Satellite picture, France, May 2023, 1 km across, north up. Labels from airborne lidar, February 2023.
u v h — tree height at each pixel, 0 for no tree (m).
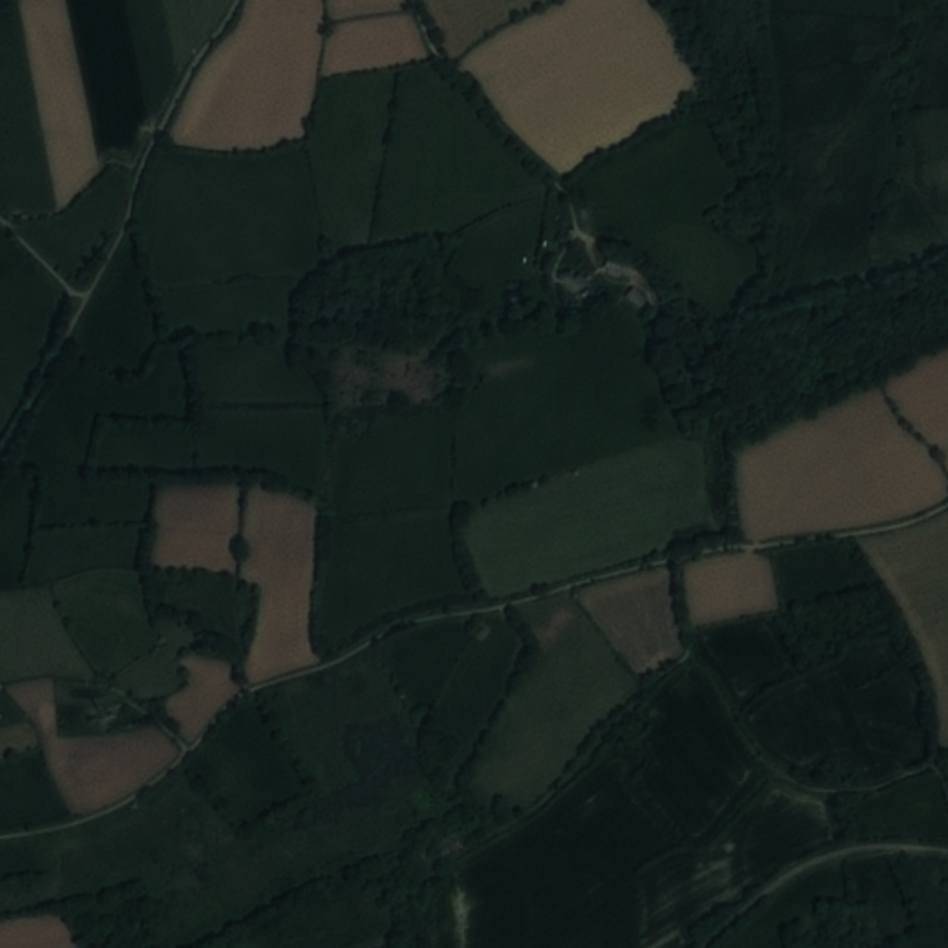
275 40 0
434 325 18
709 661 0
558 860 0
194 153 6
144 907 13
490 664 0
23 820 0
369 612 0
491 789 0
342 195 0
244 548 15
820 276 0
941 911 11
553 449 0
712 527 0
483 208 0
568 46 0
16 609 0
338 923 0
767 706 0
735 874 0
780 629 8
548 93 0
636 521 0
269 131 0
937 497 0
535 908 0
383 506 0
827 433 0
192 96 0
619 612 0
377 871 10
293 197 0
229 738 0
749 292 17
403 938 19
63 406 0
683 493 0
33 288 0
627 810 0
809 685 0
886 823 0
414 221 0
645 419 0
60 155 0
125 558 0
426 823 6
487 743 10
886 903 0
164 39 0
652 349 21
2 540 0
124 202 0
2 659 0
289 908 20
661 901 0
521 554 0
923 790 0
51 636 0
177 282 0
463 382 16
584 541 0
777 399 17
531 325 17
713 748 0
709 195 0
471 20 0
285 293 0
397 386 0
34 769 0
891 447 0
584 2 0
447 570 0
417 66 8
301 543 0
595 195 0
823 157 0
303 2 0
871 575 15
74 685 0
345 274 15
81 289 0
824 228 0
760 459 0
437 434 0
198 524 0
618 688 0
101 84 0
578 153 0
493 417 0
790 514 0
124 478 17
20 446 8
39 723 0
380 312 17
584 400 0
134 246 12
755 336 24
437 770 12
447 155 0
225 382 0
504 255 0
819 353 22
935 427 0
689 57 21
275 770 0
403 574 0
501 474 0
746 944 0
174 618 13
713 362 20
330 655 13
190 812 0
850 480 0
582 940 0
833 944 14
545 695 0
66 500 0
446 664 0
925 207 0
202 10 0
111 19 0
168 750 0
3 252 0
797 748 0
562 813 0
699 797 0
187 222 0
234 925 14
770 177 7
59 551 0
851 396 14
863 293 20
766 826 0
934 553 0
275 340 17
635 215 0
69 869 0
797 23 0
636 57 0
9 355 0
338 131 0
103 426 6
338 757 0
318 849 0
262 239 0
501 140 7
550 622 0
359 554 0
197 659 14
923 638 0
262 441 0
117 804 0
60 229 0
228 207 0
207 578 10
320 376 17
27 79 0
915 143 0
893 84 7
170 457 0
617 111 0
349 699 0
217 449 0
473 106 6
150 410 0
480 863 0
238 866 0
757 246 16
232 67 0
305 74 0
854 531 0
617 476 0
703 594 0
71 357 20
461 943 0
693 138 0
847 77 0
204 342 6
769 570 0
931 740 18
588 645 0
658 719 0
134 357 0
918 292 23
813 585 0
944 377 0
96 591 0
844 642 7
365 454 0
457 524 14
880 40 0
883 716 0
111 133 0
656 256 0
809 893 0
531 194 0
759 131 8
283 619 0
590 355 0
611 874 0
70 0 0
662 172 0
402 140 0
